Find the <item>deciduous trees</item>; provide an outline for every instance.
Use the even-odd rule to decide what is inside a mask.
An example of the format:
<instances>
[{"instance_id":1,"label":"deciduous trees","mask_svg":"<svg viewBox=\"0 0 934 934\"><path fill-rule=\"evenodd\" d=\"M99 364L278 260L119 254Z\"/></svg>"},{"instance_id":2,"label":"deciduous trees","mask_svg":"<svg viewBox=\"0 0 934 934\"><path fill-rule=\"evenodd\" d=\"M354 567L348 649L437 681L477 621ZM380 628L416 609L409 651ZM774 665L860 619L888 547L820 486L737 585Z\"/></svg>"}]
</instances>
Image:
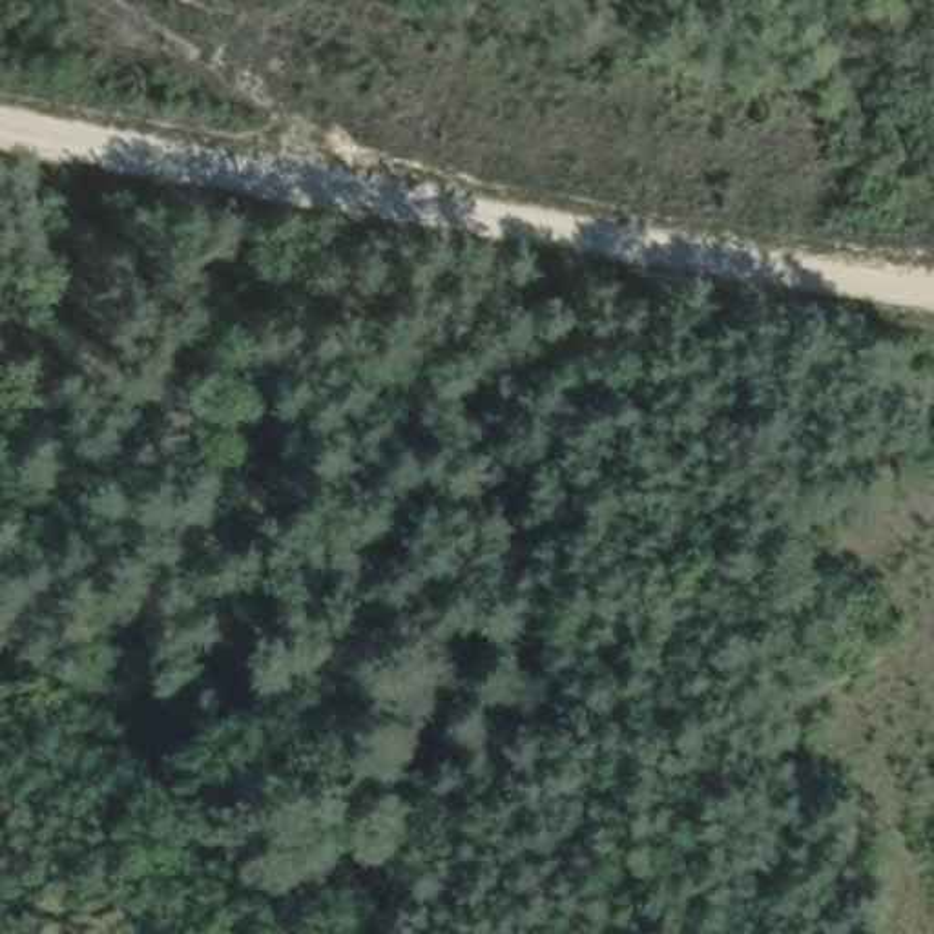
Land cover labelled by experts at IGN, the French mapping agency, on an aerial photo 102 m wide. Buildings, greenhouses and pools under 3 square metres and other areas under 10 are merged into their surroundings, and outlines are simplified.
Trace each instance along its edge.
<instances>
[{"instance_id":1,"label":"deciduous trees","mask_svg":"<svg viewBox=\"0 0 934 934\"><path fill-rule=\"evenodd\" d=\"M193 748L175 752L175 770L190 773L171 788L161 788L150 777L150 770L131 755L124 726L109 711L88 711L73 697L66 697L62 704L33 715L29 690L22 697L0 693L0 934L88 934L77 912L91 894L99 901L99 916L120 912L135 927L135 934L350 934L358 930L354 890L339 890L336 912L310 912L299 919L299 927L281 930L266 905L226 905L226 868L186 854L190 843L241 846L255 832L266 835L274 828L274 810L296 799L343 803L347 828L354 828L365 814L376 810L376 803L383 799L379 781L354 777L358 759L343 755L339 737L303 741L299 733L303 711L321 701L317 671L292 675L288 686L277 693L259 693L241 719L230 715L208 726L193 741Z\"/></svg>"},{"instance_id":2,"label":"deciduous trees","mask_svg":"<svg viewBox=\"0 0 934 934\"><path fill-rule=\"evenodd\" d=\"M405 416L423 423L427 401L438 394L431 383L434 376L423 368L412 372L398 365L376 365L361 372L361 379L379 383L379 394L372 401L379 405L379 416L394 427Z\"/></svg>"},{"instance_id":3,"label":"deciduous trees","mask_svg":"<svg viewBox=\"0 0 934 934\"><path fill-rule=\"evenodd\" d=\"M916 631L912 620L901 620L894 595L879 584L850 595L846 613L835 620L835 642L825 668L832 682L832 711L810 722L814 752L843 726L846 711L876 686L879 664L894 660Z\"/></svg>"},{"instance_id":4,"label":"deciduous trees","mask_svg":"<svg viewBox=\"0 0 934 934\"><path fill-rule=\"evenodd\" d=\"M401 15L412 18L441 18L456 7L467 7L471 0L401 0Z\"/></svg>"},{"instance_id":5,"label":"deciduous trees","mask_svg":"<svg viewBox=\"0 0 934 934\"><path fill-rule=\"evenodd\" d=\"M701 7L704 22L719 18L722 0L609 0L617 26L635 29L649 44L660 44L668 26L686 22L686 11L693 7Z\"/></svg>"}]
</instances>

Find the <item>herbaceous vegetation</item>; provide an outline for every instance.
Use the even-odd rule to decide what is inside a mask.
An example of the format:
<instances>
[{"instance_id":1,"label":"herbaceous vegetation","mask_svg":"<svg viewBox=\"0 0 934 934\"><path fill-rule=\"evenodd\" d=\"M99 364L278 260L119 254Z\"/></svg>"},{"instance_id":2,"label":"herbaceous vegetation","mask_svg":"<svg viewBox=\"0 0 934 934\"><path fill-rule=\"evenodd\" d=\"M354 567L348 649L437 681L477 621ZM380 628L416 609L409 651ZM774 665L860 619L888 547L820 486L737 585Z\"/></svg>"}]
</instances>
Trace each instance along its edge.
<instances>
[{"instance_id":1,"label":"herbaceous vegetation","mask_svg":"<svg viewBox=\"0 0 934 934\"><path fill-rule=\"evenodd\" d=\"M876 259L894 266L934 270L934 0L722 0L719 18L704 22L701 7L693 7L686 11L686 22L668 26L660 44L649 44L635 29L617 26L609 0L471 0L467 7L456 7L441 18L412 18L401 15L401 0L0 0L0 109L18 106L62 120L150 131L175 142L215 146L230 157L277 153L292 117L303 113L314 124L325 124L328 131L343 128L358 146L474 171L485 182L503 182L511 201L518 204L584 215L587 226L606 219L620 226L628 226L631 219L646 219L660 230L686 226L697 234L737 234L770 248L806 248L817 255L839 255L854 263Z\"/></svg>"},{"instance_id":2,"label":"herbaceous vegetation","mask_svg":"<svg viewBox=\"0 0 934 934\"><path fill-rule=\"evenodd\" d=\"M923 336L901 343L876 343L876 365L868 376L883 390L905 387L908 409L934 409L934 310L912 310L912 321L923 325Z\"/></svg>"},{"instance_id":3,"label":"herbaceous vegetation","mask_svg":"<svg viewBox=\"0 0 934 934\"><path fill-rule=\"evenodd\" d=\"M898 857L905 850L934 854L934 460L927 467L883 467L872 478L872 485L843 482L835 489L810 493L803 518L810 533L828 551L854 551L861 562L876 566L879 584L894 595L901 620L912 620L916 631L894 660L879 664L876 686L846 711L843 726L814 752L843 763L846 803L861 803L868 814L879 817L868 865L879 890L876 898L861 901L868 908L868 934L876 934L879 927L901 923L901 916L908 912L905 872L898 868Z\"/></svg>"}]
</instances>

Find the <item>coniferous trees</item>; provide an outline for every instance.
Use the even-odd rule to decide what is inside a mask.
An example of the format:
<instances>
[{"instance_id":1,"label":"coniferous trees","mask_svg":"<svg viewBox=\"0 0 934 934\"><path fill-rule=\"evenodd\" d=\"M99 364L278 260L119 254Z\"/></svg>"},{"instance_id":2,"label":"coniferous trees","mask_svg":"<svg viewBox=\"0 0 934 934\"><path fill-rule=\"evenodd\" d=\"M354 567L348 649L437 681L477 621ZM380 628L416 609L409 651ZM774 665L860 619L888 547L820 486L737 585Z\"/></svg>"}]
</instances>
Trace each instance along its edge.
<instances>
[{"instance_id":1,"label":"coniferous trees","mask_svg":"<svg viewBox=\"0 0 934 934\"><path fill-rule=\"evenodd\" d=\"M77 912L88 934L135 934L135 927L120 912L99 916L99 901L91 894Z\"/></svg>"},{"instance_id":2,"label":"coniferous trees","mask_svg":"<svg viewBox=\"0 0 934 934\"><path fill-rule=\"evenodd\" d=\"M109 171L102 161L44 161L33 150L0 146L0 693L22 697L29 690L33 715L62 704L66 697L73 697L88 711L109 711L124 726L131 755L150 770L150 777L161 788L171 788L190 773L175 770L175 752L193 748L193 741L208 726L230 715L241 719L259 693L277 693L288 686L292 675L317 671L321 701L303 711L299 733L303 741L339 737L343 755L358 759L354 777L379 781L383 799L376 803L376 810L365 814L354 828L347 828L343 803L296 799L274 810L274 828L266 835L255 832L241 846L190 843L186 854L226 868L226 905L266 905L281 930L299 927L299 919L310 912L336 912L339 890L354 890L358 930L350 934L868 934L868 908L861 901L876 898L879 890L868 865L879 817L868 814L861 803L846 803L843 763L814 752L810 722L832 711L832 682L825 668L835 642L835 620L846 613L850 595L879 584L876 566L861 562L854 551L828 551L810 533L803 518L810 493L835 489L843 482L872 485L872 478L883 467L927 467L934 460L934 409L908 409L905 387L883 390L868 376L876 365L876 343L901 343L923 336L923 325L912 321L912 310L839 296L817 274L806 274L799 285L777 281L773 292L744 288L741 281L722 274L697 274L697 266L649 277L628 259L580 252L569 237L555 241L551 234L518 219L503 223L500 237L485 237L474 223L463 230L463 237L434 237L434 230L423 223L412 223L412 230L398 230L398 223L390 219L354 219L336 204L299 208L292 201L266 201L237 186L171 182L153 171ZM423 368L434 376L431 383L438 394L427 401L423 423L405 416L394 427L379 416L379 405L372 401L379 394L379 383L361 379L361 372L376 365L398 365L412 372Z\"/></svg>"}]
</instances>

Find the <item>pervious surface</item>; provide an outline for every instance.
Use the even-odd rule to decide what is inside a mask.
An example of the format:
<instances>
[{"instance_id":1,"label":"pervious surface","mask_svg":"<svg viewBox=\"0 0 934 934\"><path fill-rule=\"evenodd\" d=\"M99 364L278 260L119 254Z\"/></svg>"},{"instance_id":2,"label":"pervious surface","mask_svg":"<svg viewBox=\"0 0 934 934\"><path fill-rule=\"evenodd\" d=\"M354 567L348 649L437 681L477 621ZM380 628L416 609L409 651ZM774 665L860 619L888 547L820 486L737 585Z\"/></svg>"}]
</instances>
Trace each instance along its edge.
<instances>
[{"instance_id":1,"label":"pervious surface","mask_svg":"<svg viewBox=\"0 0 934 934\"><path fill-rule=\"evenodd\" d=\"M839 296L912 310L934 310L934 270L894 266L876 259L854 263L839 255L817 255L806 248L770 248L737 234L697 234L686 226L660 230L646 219L631 219L628 226L620 226L606 219L587 226L584 215L518 204L511 201L503 182L485 182L474 171L358 146L343 128L328 131L325 124L314 124L303 113L292 117L277 153L230 157L215 146L175 142L150 131L62 120L18 106L0 109L0 146L33 150L44 161L102 161L109 171L153 171L171 182L237 186L266 201L292 201L299 208L336 204L354 219L390 219L398 223L398 230L412 230L412 223L423 223L434 230L434 237L463 237L463 230L474 223L485 237L500 237L503 223L518 219L551 234L555 241L569 237L580 252L628 259L649 277L697 266L697 274L722 274L741 281L744 288L773 292L777 281L799 285L806 274L817 274Z\"/></svg>"}]
</instances>

